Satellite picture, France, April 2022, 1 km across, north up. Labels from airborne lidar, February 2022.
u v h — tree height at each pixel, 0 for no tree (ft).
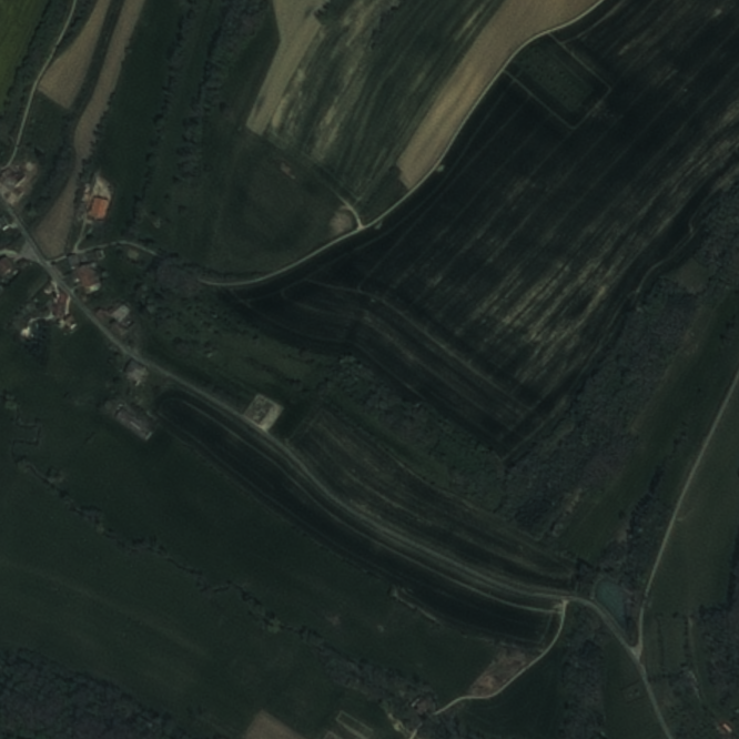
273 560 0
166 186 0
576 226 0
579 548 0
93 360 0
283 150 0
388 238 0
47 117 0
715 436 0
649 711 0
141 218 51
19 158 0
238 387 0
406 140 0
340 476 0
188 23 44
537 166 0
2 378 0
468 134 0
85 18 29
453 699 0
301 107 0
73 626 0
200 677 0
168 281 92
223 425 0
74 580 0
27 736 57
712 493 0
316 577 0
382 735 0
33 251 0
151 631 0
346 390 21
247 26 76
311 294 0
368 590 0
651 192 0
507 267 0
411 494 0
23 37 0
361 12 0
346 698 0
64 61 0
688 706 52
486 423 0
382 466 0
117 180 0
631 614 55
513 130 0
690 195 0
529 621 0
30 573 0
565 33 0
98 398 0
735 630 73
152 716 66
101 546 0
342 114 0
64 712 119
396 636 0
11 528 0
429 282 0
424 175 0
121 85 0
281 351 0
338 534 0
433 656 0
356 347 0
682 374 0
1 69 0
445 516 0
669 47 0
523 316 0
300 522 0
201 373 0
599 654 55
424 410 26
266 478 0
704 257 26
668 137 0
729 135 0
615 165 0
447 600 0
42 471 0
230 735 0
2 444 0
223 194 0
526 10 0
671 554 0
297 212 0
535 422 0
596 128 0
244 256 0
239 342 0
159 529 0
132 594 0
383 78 0
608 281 0
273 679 0
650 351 54
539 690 0
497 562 0
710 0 0
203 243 0
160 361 0
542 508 51
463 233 0
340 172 0
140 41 0
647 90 0
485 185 0
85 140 0
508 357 0
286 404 0
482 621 0
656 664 0
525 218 0
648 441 0
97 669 0
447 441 23
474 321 0
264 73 0
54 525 0
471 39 0
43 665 24
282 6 0
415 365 0
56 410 0
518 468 48
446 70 0
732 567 0
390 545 0
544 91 0
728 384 0
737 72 0
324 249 0
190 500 0
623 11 0
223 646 0
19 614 0
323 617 0
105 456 0
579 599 0
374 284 0
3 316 0
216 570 0
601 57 0
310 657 0
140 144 0
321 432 0
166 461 0
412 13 0
